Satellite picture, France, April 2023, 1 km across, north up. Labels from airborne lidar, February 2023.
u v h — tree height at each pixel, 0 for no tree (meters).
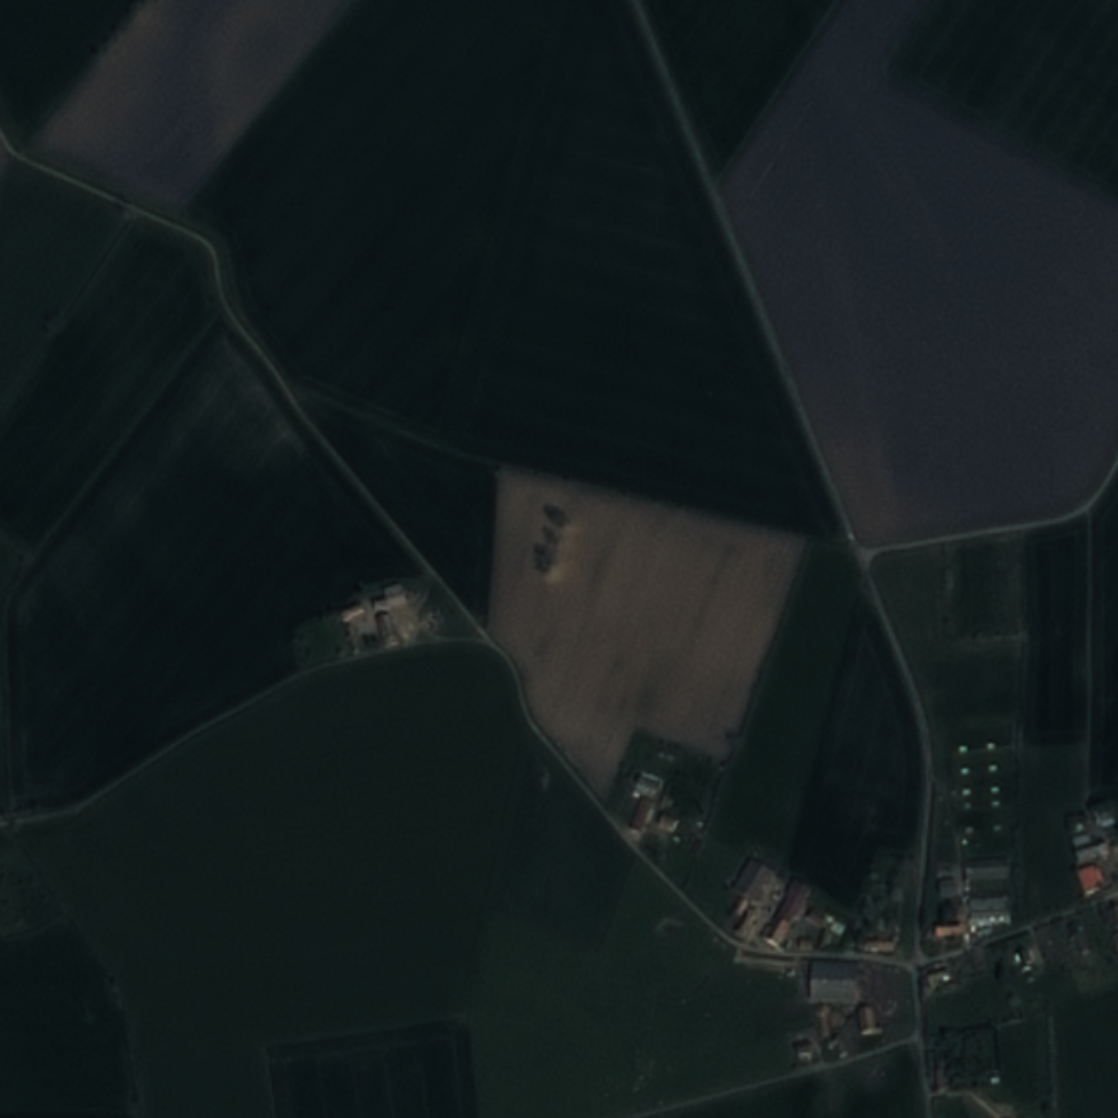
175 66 0
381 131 0
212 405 0
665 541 0
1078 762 0
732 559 0
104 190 0
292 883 0
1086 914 12
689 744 0
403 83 0
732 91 0
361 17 0
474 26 0
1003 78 0
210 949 0
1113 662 0
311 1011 0
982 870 0
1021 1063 0
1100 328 0
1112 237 0
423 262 0
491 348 0
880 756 0
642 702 0
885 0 0
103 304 0
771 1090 0
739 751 9
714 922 0
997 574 0
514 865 0
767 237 0
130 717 0
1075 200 0
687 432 0
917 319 0
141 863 0
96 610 0
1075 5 0
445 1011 0
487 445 0
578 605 0
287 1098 0
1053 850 0
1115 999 0
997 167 0
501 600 0
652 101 0
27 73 0
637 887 0
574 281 0
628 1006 0
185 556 0
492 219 0
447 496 0
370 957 0
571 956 0
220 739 0
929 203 0
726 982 0
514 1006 0
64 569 0
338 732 0
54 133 0
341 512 0
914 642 0
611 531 0
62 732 0
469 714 0
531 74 0
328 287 0
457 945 0
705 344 0
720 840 0
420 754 0
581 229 0
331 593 0
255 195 0
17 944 0
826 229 0
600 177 0
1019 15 0
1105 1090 0
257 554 0
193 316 0
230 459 0
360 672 0
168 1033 0
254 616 0
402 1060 0
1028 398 0
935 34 0
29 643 0
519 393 0
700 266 0
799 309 0
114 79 0
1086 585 0
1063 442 0
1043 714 0
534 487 0
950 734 0
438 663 0
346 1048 0
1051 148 0
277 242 0
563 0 0
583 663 0
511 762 0
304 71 0
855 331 0
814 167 0
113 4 0
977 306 0
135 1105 7
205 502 0
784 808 0
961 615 0
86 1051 0
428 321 0
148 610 0
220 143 0
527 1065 0
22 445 0
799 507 0
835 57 0
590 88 0
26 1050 0
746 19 0
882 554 0
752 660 0
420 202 0
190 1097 0
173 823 0
